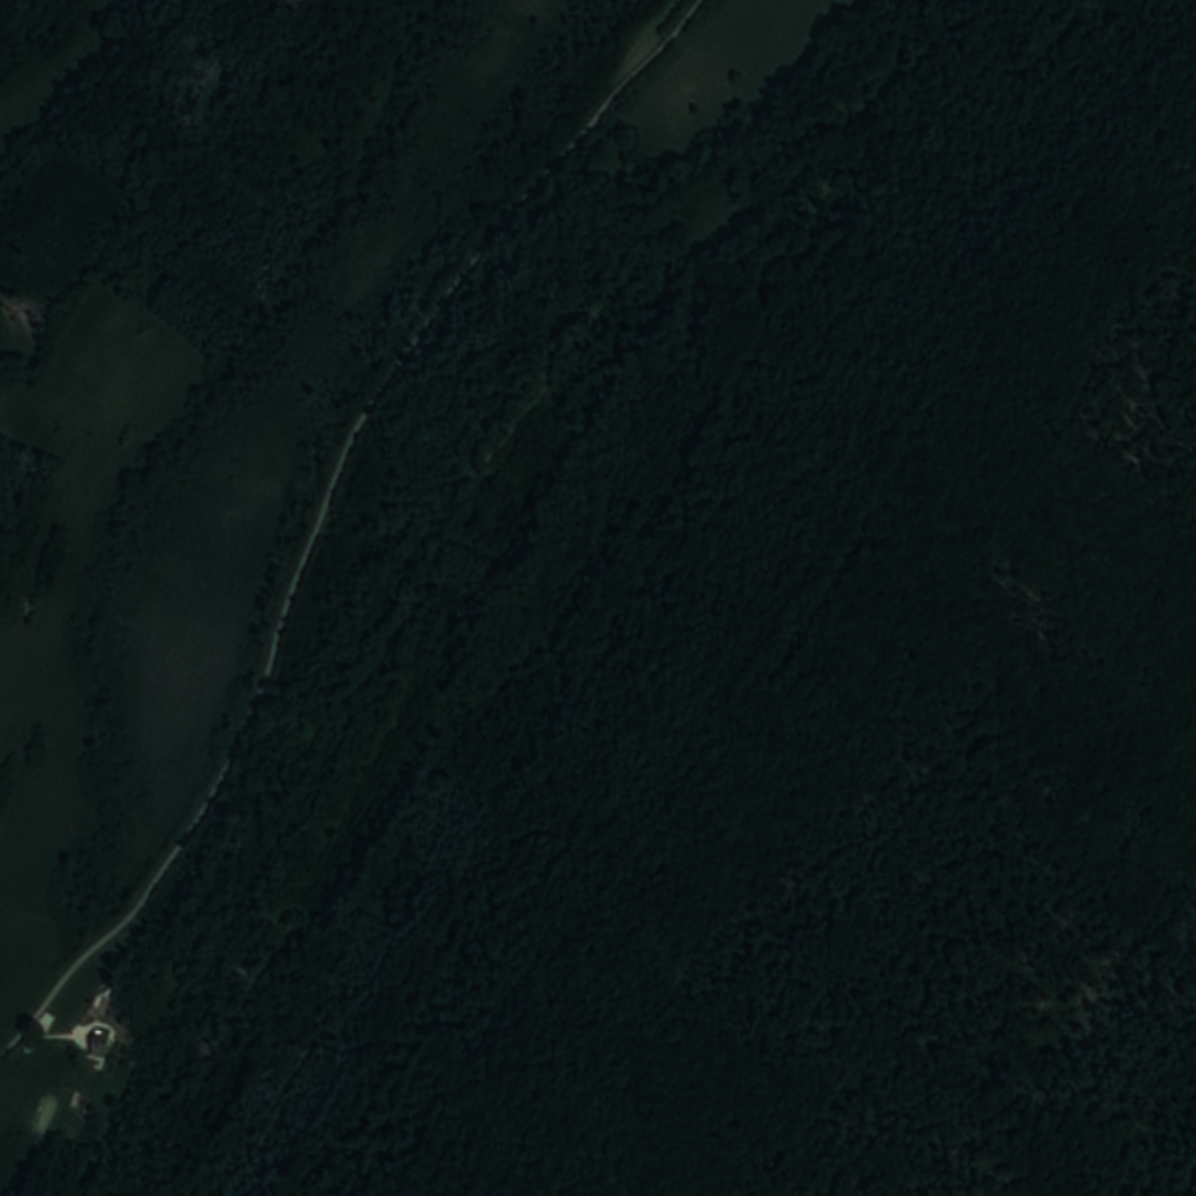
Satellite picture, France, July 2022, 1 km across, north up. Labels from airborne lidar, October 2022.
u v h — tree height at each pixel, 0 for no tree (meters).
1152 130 24
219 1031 29
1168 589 23
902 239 31
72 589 0
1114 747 24
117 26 19
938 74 32
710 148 11
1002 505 22
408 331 6
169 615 0
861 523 14
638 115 0
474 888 26
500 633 14
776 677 16
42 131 10
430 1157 26
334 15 22
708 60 0
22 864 0
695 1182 22
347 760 16
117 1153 17
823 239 29
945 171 29
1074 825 22
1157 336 24
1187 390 20
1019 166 21
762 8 0
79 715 0
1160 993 26
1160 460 21
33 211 6
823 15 0
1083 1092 7
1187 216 18
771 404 24
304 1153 30
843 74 29
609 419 14
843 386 19
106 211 5
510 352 8
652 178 12
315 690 16
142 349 0
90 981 0
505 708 6
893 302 22
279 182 12
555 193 12
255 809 15
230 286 9
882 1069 20
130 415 0
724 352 29
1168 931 24
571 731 29
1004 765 26
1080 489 21
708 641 22
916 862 17
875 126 28
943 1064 23
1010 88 28
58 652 0
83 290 14
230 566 0
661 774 16
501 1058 22
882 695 16
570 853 24
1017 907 21
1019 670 22
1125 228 26
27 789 0
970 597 22
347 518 9
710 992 18
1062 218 23
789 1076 26
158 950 14
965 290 26
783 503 23
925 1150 24
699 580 28
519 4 0
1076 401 18
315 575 7
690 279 29
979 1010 20
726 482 28
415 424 11
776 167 19
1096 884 19
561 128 6
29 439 0
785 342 24
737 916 23
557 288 24
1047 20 28
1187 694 23
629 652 26
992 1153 22
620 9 10
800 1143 21
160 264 10
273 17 23
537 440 6
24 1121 0
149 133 19
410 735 9
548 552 20
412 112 20
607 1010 19
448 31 14
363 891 16
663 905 29
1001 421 24
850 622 25
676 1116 24
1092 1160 18
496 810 24
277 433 0
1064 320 22
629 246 22
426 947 30
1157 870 24
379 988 23
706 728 19
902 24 21
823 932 22
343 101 7
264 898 11
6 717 0
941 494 21
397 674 15
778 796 20
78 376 0
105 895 11
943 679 18
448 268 14
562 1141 22
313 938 30
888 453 28
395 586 11
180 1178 21
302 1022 18
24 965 0
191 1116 15
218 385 17
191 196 15
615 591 30
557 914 26
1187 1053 23
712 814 24
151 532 8
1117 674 22
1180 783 20
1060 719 29
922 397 25
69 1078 0
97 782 7
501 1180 21
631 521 26
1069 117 25
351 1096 25
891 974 20
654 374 19
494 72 0
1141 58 21
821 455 22
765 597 25
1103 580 22
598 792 22
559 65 13
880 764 21
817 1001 20
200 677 0
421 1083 18
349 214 22
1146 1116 24
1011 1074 28
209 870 16
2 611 9
